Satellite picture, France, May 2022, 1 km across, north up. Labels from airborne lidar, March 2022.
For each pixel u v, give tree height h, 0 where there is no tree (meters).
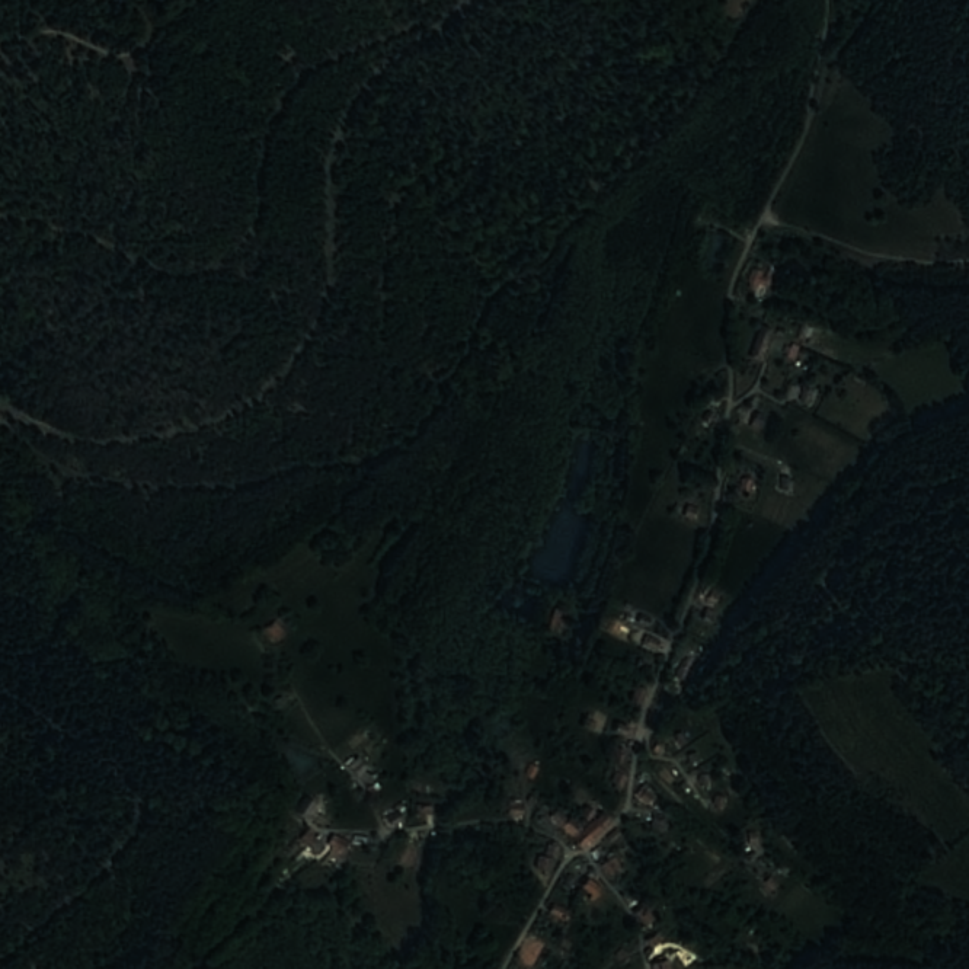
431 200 18
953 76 8
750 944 0
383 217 16
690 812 12
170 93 14
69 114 7
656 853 18
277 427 7
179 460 8
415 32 13
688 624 6
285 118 17
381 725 0
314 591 0
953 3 13
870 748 0
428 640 14
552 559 0
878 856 16
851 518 27
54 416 16
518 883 8
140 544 16
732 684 25
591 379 16
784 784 14
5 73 23
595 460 17
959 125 9
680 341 0
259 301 17
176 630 0
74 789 26
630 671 8
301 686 0
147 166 8
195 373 28
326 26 10
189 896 21
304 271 12
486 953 8
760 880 0
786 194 0
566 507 0
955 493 35
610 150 27
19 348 10
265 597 17
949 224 0
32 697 31
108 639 13
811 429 0
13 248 10
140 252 13
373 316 16
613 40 15
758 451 0
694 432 0
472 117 8
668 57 22
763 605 29
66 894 12
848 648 26
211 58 17
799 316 13
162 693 15
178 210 14
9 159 24
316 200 14
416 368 11
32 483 13
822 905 0
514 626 21
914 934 8
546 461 17
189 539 24
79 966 13
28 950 16
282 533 15
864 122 0
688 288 0
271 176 19
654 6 24
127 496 15
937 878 0
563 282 29
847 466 0
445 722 8
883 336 11
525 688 20
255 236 8
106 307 15
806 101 10
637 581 0
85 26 8
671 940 0
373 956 19
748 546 0
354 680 0
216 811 27
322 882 0
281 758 9
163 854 18
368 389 13
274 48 14
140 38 16
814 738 26
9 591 11
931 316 30
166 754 26
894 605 29
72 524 17
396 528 22
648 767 0
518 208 12
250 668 0
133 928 24
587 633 25
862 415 0
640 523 0
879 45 14
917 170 9
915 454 29
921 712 16
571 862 0
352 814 0
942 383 0
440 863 27
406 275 15
